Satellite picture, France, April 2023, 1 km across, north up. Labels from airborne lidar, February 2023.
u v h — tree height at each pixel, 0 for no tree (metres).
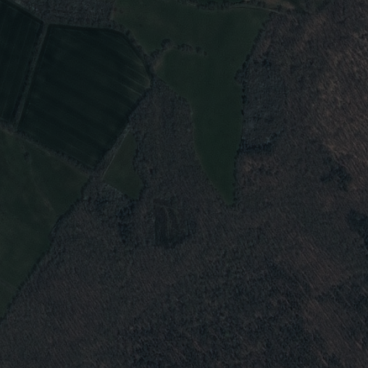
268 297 8
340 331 19
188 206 21
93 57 0
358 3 19
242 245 16
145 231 21
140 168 20
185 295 23
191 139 12
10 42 0
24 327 17
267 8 14
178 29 0
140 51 14
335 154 15
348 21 18
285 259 18
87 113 0
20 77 0
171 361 21
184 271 21
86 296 23
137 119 19
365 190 19
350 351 15
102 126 0
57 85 0
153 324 20
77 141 0
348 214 18
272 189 11
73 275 21
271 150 19
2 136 0
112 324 23
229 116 0
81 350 24
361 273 17
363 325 21
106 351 23
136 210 22
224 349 9
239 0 0
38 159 0
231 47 0
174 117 17
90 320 21
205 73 0
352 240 21
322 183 16
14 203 0
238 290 21
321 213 20
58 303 21
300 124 19
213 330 19
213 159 0
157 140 15
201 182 20
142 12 0
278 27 14
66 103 0
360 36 9
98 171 13
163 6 0
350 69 15
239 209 13
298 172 17
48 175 0
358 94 20
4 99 0
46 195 0
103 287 21
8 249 0
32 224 0
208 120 0
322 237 20
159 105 16
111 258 19
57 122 0
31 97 0
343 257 19
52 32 0
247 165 18
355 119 15
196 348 25
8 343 20
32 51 0
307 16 18
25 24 0
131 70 0
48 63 0
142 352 12
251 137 7
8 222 0
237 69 0
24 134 11
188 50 14
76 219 21
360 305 23
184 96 0
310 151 16
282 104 7
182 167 15
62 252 8
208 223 16
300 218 21
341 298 17
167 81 0
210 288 25
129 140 0
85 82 0
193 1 13
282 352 18
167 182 21
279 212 25
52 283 23
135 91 0
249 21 0
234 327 23
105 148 0
